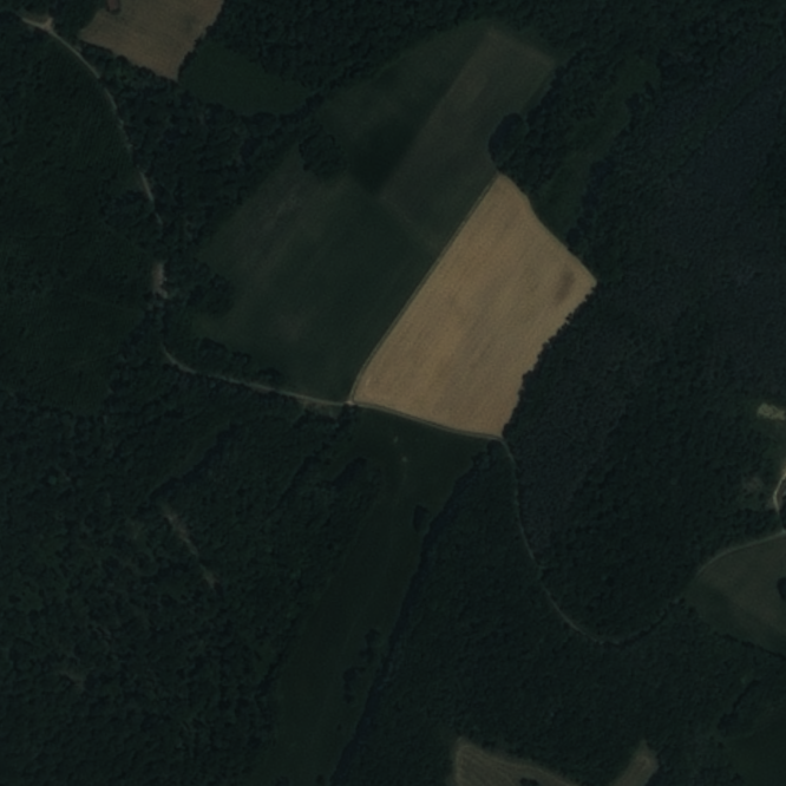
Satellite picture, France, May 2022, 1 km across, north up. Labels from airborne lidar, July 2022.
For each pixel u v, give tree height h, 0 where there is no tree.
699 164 12
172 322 22
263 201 0
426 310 0
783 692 19
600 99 29
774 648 0
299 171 0
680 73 27
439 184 0
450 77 0
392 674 24
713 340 14
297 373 0
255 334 0
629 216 15
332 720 0
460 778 0
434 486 0
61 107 9
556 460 17
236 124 22
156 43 0
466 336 0
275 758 0
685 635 18
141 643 24
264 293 0
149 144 27
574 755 20
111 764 20
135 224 22
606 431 13
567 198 0
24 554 23
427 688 17
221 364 25
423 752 24
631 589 20
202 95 0
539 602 18
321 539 28
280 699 13
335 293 0
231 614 26
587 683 21
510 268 0
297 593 27
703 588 0
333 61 18
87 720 22
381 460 0
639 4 24
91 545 27
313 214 0
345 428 26
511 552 21
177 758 27
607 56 20
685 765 24
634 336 12
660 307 16
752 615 0
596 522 9
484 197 0
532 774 0
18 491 22
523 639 20
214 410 25
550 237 0
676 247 16
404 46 17
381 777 24
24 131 10
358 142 0
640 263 14
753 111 11
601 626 11
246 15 23
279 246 0
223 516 21
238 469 23
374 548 0
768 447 11
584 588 17
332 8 22
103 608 27
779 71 10
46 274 7
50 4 22
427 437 0
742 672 16
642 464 20
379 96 0
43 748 20
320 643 0
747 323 18
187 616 26
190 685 21
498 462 23
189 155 26
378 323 0
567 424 18
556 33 23
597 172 0
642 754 0
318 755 0
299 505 21
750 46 11
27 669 23
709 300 14
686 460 20
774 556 0
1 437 22
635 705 24
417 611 24
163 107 25
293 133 23
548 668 19
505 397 0
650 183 11
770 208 17
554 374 17
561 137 29
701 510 20
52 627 20
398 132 0
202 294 24
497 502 25
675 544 19
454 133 0
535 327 0
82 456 25
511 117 0
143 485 20
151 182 8
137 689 26
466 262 0
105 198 8
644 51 28
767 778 0
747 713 20
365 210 0
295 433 22
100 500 28
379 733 27
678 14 20
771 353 20
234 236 0
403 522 0
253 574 14
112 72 25
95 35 0
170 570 22
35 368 6
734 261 18
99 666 24
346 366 0
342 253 0
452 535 27
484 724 21
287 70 25
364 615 0
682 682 20
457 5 14
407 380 0
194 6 0
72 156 7
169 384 22
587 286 0
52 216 8
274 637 19
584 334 16
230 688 9
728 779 19
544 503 17
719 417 19
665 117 10
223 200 19
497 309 0
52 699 20
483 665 19
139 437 26
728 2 30
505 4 20
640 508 16
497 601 21
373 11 21
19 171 8
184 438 24
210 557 23
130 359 25
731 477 13
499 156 23
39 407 7
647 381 12
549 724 13
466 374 0
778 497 0
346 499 29
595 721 18
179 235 20
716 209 20
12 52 24
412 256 0
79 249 8
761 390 12
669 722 27
